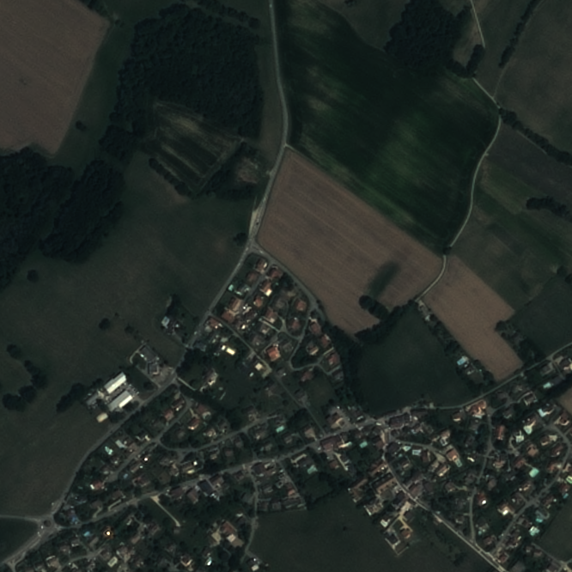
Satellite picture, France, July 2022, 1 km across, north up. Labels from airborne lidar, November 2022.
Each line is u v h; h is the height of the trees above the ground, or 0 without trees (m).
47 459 0
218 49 21
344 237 0
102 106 0
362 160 0
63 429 0
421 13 22
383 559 0
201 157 0
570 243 0
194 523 0
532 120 0
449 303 0
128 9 0
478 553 0
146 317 0
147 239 0
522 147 0
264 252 0
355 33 0
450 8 0
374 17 0
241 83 23
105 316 0
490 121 0
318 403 0
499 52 0
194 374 0
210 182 8
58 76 0
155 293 0
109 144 13
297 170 0
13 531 0
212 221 0
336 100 0
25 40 0
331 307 0
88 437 0
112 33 0
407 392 0
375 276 0
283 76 0
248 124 20
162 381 0
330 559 0
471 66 16
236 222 0
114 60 0
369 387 0
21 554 0
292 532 0
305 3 0
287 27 0
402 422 0
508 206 0
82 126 18
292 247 0
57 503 0
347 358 18
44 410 0
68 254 20
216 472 21
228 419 13
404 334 0
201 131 0
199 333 0
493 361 0
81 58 0
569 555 0
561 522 0
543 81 0
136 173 0
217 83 21
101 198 23
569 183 0
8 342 0
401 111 0
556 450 0
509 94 0
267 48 0
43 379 20
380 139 0
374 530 0
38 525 0
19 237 26
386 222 0
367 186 0
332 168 0
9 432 0
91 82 0
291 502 0
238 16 21
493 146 0
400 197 0
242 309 0
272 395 0
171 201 0
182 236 0
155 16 0
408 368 0
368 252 0
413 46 19
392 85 0
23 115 0
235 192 12
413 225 0
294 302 7
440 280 0
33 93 0
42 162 21
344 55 0
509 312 0
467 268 0
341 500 0
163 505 9
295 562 0
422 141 0
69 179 25
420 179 0
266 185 0
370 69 0
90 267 0
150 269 0
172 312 15
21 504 0
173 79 28
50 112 0
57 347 0
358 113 0
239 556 15
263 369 0
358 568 0
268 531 0
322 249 0
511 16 0
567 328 0
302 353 8
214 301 0
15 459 0
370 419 0
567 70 0
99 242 19
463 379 13
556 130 0
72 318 0
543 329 0
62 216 21
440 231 0
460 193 0
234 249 0
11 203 13
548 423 8
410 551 0
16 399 16
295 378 7
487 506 0
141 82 18
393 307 0
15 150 0
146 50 22
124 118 20
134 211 0
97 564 7
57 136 0
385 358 0
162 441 10
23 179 18
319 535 0
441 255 0
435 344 0
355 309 0
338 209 0
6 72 0
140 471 6
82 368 0
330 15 0
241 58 23
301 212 0
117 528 14
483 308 0
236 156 9
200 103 21
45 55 0
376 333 20
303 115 0
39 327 0
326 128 0
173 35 26
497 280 0
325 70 0
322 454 6
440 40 26
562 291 0
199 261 0
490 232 0
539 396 0
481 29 0
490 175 0
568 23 0
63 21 0
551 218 0
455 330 0
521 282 0
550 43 0
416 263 0
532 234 0
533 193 0
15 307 0
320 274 0
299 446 9
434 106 0
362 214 0
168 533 6
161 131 0
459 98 0
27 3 0
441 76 0
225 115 22
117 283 0
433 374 0
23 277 0
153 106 0
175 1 0
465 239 0
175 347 0
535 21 0
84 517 9
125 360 0
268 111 0
